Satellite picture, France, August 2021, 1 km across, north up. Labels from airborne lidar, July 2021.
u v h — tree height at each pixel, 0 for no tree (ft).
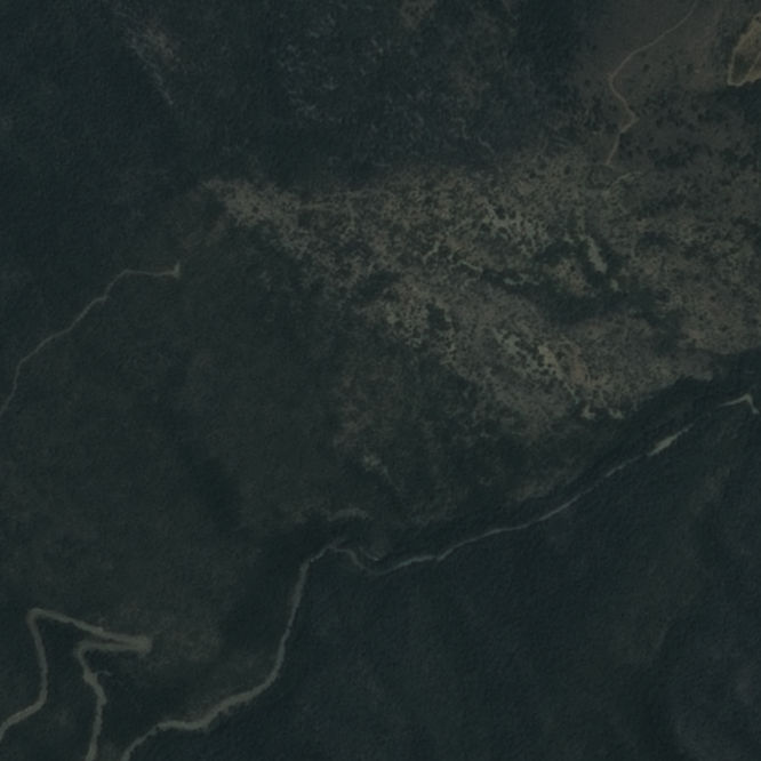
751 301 23
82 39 20
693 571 21
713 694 24
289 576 27
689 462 18
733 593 20
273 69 20
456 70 0
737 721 26
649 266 0
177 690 27
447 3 24
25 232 18
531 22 20
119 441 20
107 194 18
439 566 20
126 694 49
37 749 18
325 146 17
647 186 0
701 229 19
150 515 19
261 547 29
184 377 21
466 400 21
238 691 17
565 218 21
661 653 21
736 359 26
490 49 22
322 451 21
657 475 21
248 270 22
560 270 0
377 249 0
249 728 28
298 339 19
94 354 20
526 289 18
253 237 22
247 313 20
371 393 18
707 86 0
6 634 23
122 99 21
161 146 19
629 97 0
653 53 0
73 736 25
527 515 24
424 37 20
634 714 25
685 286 0
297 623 25
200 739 18
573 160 0
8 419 18
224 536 24
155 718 21
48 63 21
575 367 0
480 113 17
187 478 17
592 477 26
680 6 0
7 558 21
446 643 25
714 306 0
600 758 23
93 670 28
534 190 0
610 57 0
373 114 21
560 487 26
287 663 23
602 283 18
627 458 26
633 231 0
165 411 21
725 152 20
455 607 26
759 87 24
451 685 19
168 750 24
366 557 20
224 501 30
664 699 21
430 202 21
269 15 18
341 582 18
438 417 18
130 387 19
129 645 0
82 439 20
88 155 18
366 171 18
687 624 22
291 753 20
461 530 31
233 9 17
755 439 22
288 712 27
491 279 20
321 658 19
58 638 40
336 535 27
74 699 20
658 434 20
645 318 25
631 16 0
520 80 20
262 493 18
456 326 23
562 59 20
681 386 38
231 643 24
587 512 25
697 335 0
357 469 30
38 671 30
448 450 19
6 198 18
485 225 24
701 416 20
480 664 25
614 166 0
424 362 25
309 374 24
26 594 22
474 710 18
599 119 21
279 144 19
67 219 19
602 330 0
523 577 26
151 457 24
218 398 18
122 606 0
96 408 17
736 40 24
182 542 17
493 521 21
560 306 22
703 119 25
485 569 17
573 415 24
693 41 0
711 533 37
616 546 22
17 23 18
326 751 18
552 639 18
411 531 26
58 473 20
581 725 20
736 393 25
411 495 18
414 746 18
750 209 0
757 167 19
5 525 20
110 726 30
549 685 18
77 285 18
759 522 19
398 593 22
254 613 27
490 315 0
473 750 19
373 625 19
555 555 18
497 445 25
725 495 23
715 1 0
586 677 18
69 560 23
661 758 32
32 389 19
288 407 18
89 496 19
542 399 0
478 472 24
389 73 19
